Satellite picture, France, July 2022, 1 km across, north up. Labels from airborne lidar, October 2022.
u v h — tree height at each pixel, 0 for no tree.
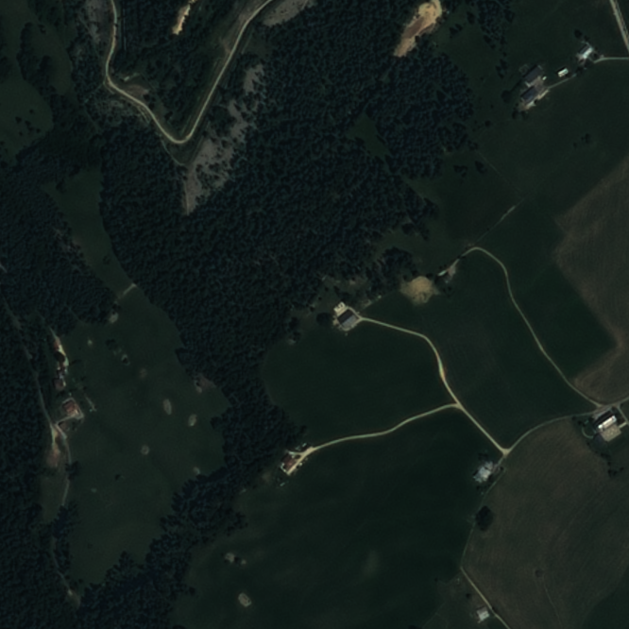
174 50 12
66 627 28
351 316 0
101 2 0
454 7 19
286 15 0
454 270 0
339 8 12
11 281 18
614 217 0
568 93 0
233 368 23
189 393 0
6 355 11
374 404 0
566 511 0
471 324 0
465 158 0
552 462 0
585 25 0
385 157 0
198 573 0
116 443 0
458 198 0
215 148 0
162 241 9
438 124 30
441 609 0
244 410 10
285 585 0
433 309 0
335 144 33
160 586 25
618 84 0
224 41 0
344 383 0
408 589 0
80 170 30
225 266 22
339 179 22
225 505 7
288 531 0
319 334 0
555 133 0
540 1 0
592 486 0
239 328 20
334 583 0
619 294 0
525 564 0
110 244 0
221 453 0
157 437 0
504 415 0
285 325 13
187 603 0
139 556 0
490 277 0
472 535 0
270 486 0
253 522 0
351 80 25
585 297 0
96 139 21
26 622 21
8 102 0
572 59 9
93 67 11
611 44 0
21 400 20
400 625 0
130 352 0
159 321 0
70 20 14
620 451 0
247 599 0
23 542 25
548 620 0
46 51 0
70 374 0
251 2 0
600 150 0
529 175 0
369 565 0
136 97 0
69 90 0
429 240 12
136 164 7
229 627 0
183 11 0
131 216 28
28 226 18
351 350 0
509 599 0
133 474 0
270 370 0
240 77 12
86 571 0
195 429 0
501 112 0
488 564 0
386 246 0
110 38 0
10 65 17
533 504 0
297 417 0
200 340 21
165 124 0
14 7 0
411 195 11
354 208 31
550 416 0
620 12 0
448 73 26
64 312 18
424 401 0
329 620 0
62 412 0
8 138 0
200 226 21
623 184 0
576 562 0
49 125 0
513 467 0
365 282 0
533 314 0
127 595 33
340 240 26
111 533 0
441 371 0
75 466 10
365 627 0
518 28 0
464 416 0
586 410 0
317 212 18
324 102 9
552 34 0
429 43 20
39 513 29
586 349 0
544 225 0
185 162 0
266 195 29
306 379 0
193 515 6
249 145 10
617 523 0
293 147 26
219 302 21
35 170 26
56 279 22
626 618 0
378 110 25
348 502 0
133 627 32
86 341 0
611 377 0
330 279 0
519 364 0
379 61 17
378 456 0
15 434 27
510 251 0
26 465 8
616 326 0
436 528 0
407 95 31
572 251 0
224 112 11
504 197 0
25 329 9
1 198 21
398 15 25
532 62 0
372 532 0
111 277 0
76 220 0
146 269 22
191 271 20
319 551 0
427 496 0
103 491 0
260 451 11
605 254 0
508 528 0
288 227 21
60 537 27
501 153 0
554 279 0
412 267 14
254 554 0
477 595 0
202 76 19
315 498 0
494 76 0
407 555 0
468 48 0
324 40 17
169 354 0
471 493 0
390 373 0
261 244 26
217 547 0
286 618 0
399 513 0
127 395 0
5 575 26
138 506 0
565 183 0
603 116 0
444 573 0
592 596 0
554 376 0
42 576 27
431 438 0
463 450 0
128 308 0
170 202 23
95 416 0
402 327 0
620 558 0
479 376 0
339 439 0
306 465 0
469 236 0
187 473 0
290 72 32
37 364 18
